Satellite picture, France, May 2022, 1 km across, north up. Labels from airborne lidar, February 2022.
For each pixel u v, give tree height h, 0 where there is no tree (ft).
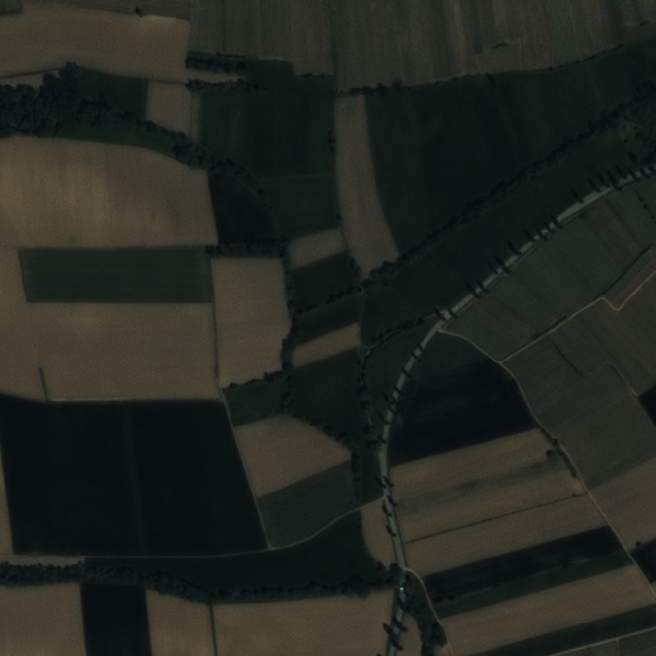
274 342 0
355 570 0
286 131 0
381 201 0
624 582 0
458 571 0
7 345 0
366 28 0
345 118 0
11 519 0
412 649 0
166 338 0
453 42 0
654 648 0
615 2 0
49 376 0
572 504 0
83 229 0
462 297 0
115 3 0
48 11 0
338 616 0
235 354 0
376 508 0
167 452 0
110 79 0
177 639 0
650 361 0
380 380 0
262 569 0
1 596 0
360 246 0
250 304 0
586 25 0
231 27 0
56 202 0
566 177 0
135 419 0
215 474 0
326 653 0
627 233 0
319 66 0
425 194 0
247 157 0
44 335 0
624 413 0
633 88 0
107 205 0
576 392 0
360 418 0
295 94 0
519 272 0
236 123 0
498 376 0
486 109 0
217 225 0
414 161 0
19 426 0
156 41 0
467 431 0
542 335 0
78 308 0
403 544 0
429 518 0
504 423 0
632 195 0
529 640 0
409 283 0
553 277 0
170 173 0
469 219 41
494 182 0
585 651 0
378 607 0
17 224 0
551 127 0
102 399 0
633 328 0
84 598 0
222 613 0
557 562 0
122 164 0
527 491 0
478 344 0
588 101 0
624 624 0
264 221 0
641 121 0
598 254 0
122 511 0
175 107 0
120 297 0
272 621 0
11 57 0
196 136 0
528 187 0
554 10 0
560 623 0
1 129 94
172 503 0
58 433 0
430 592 0
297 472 0
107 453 0
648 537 0
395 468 0
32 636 0
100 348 0
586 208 0
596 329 0
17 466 0
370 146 0
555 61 0
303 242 0
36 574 58
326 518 0
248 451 0
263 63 0
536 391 0
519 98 0
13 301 0
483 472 0
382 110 0
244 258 0
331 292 0
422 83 0
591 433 0
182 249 0
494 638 0
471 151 0
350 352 0
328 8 0
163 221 0
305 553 0
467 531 0
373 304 0
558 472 0
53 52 0
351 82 0
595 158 0
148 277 0
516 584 0
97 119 77
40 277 0
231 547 0
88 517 0
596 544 0
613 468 0
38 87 0
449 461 0
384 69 0
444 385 0
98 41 0
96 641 0
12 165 0
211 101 0
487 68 0
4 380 0
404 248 0
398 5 0
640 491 0
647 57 0
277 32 0
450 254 0
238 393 0
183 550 0
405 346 0
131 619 0
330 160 0
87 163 0
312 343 0
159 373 0
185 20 0
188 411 0
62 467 0
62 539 0
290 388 28
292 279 0
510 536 0
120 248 0
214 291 0
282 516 0
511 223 0
